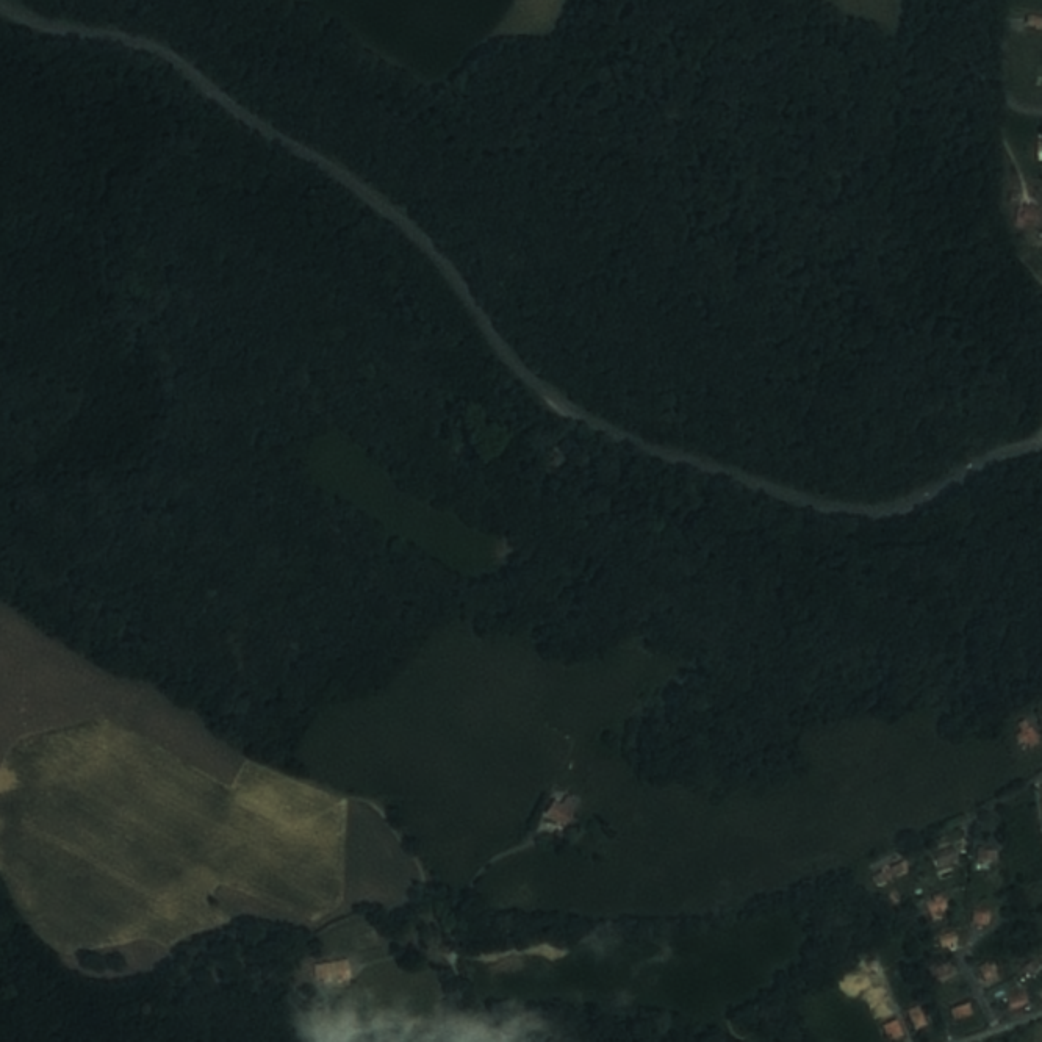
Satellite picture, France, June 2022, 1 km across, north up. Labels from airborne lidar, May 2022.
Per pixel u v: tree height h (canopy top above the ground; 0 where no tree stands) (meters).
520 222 23
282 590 18
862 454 27
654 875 0
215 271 21
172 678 19
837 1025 0
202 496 27
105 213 18
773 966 0
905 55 25
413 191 21
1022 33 0
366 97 24
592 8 29
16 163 21
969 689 16
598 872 0
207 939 11
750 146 18
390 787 0
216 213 28
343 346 25
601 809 0
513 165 21
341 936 0
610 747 8
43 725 0
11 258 19
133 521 34
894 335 29
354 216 21
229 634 25
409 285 24
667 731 26
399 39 0
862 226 26
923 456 23
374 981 0
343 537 21
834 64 25
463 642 0
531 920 18
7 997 18
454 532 0
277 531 22
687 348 23
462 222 20
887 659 26
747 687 32
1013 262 16
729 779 27
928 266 24
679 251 23
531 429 16
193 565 23
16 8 0
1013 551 28
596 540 31
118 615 27
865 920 17
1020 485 26
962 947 0
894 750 0
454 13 0
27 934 20
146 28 30
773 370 25
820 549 20
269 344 21
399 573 23
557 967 0
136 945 0
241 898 0
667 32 26
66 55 27
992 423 27
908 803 0
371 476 0
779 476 24
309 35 23
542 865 0
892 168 17
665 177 18
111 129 20
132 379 19
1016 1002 0
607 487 29
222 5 25
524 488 32
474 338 23
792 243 25
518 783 0
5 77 23
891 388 25
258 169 27
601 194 20
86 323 17
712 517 30
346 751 0
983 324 33
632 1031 23
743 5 26
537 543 23
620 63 26
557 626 28
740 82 22
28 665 0
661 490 24
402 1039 18
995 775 0
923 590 25
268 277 24
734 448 24
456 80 16
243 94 21
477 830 0
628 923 20
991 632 23
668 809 0
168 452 30
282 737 21
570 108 17
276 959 22
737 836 0
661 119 19
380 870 0
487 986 0
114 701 0
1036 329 24
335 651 27
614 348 25
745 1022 19
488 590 23
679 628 26
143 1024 18
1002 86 19
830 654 22
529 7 0
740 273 20
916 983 22
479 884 9
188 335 30
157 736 0
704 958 0
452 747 0
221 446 24
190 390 24
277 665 27
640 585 27
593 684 0
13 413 21
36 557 32
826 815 0
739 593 23
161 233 24
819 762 0
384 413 24
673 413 25
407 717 0
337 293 25
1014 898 14
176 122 17
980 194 19
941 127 24
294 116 26
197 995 18
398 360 27
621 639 23
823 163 23
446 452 29
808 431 29
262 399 19
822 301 10
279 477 24
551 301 22
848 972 17
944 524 22
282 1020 26
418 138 20
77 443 19
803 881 7
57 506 29
